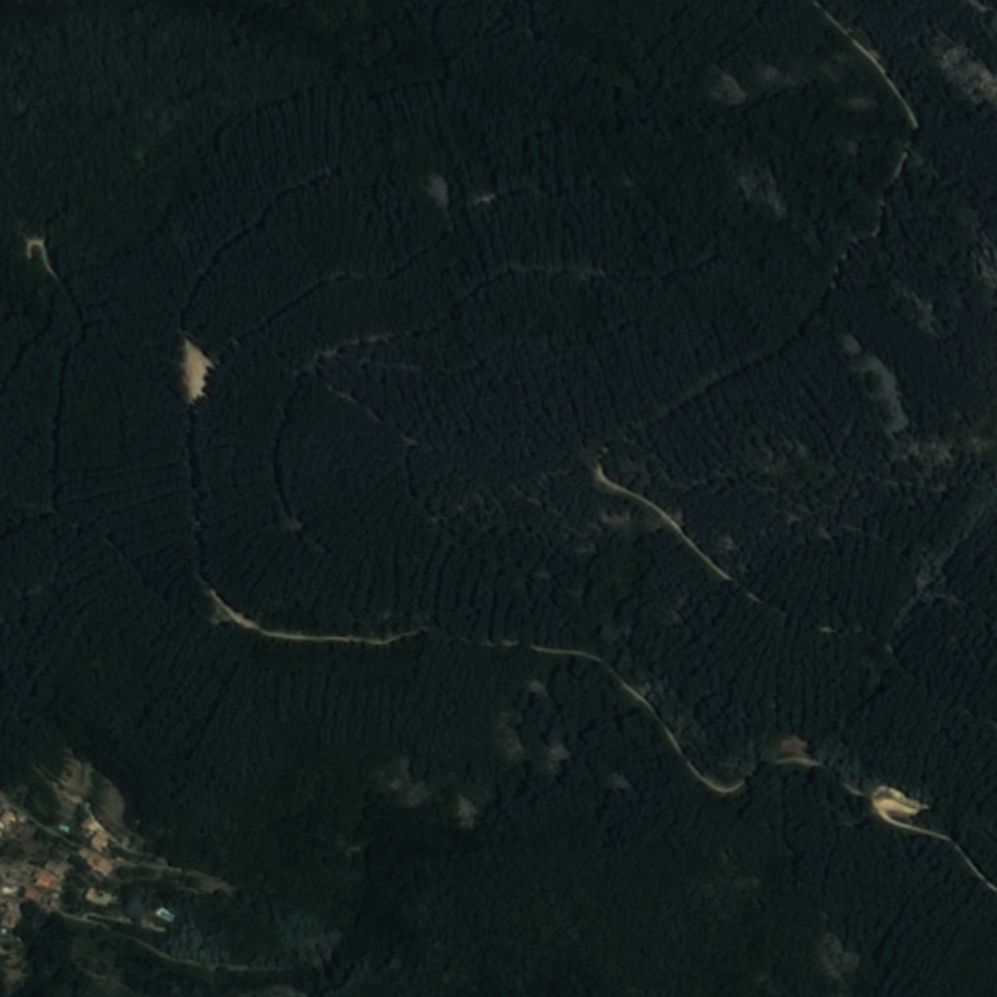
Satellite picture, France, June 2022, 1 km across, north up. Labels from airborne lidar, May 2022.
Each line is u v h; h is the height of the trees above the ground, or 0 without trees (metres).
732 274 30
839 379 20
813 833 32
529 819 29
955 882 34
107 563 34
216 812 21
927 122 20
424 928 12
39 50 17
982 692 27
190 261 31
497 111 30
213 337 25
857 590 26
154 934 7
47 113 16
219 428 28
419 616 27
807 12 26
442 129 29
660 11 14
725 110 16
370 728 28
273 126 33
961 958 22
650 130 33
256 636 20
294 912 19
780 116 24
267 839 13
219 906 15
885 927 27
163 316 22
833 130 20
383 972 16
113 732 21
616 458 16
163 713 29
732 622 32
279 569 32
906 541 30
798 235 11
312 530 25
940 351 18
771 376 21
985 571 30
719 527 21
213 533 31
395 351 20
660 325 23
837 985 8
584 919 16
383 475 23
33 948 16
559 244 34
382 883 23
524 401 21
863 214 31
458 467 23
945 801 19
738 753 19
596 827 14
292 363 20
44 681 24
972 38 17
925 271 17
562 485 19
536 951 19
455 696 29
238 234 31
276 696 26
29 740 30
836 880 25
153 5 26
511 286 28
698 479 19
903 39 21
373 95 23
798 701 30
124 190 18
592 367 22
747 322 18
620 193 23
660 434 18
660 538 20
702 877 18
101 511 30
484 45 36
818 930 9
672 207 23
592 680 30
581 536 13
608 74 0
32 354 29
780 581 29
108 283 30
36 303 20
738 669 26
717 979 7
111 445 22
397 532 31
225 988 8
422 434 19
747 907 15
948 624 28
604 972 19
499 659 20
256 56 25
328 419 24
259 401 26
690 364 19
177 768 15
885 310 23
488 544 30
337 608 30
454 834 14
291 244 29
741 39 26
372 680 21
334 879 14
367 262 31
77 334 24
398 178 28
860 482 16
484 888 20
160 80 17
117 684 18
